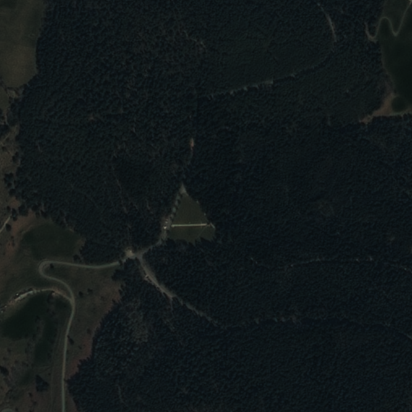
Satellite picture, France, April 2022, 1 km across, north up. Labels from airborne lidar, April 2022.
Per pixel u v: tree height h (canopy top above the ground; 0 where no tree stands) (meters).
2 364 0
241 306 21
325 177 8
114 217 19
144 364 26
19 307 0
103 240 22
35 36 0
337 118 18
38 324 13
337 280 17
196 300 22
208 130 27
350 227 19
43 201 7
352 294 19
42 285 0
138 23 18
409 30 0
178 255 22
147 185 22
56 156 17
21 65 0
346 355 23
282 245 24
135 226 24
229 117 22
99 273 0
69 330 0
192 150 20
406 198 20
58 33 16
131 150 17
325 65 20
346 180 17
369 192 9
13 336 0
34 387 0
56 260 0
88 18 17
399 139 17
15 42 0
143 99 22
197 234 0
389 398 21
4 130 13
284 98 20
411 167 17
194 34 18
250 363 21
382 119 10
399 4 0
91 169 14
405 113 0
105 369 19
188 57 15
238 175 20
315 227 20
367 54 19
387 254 18
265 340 19
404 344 27
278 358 18
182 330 17
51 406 0
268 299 20
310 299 17
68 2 18
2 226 8
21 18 0
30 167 15
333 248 22
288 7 20
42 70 19
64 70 16
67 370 0
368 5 27
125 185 17
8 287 0
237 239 23
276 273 19
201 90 28
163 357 22
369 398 22
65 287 0
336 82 13
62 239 0
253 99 15
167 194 21
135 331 28
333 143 21
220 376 21
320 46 14
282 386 18
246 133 19
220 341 17
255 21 15
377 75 20
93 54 23
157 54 21
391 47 0
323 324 24
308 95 20
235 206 20
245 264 18
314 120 16
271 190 18
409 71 0
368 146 16
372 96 15
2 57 0
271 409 23
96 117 9
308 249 19
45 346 0
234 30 11
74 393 10
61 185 17
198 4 20
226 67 15
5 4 0
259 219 24
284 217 18
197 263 22
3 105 0
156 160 20
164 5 24
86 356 0
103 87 16
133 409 21
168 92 19
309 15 21
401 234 15
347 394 29
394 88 18
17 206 0
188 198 0
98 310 0
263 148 17
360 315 26
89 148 17
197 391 26
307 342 21
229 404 19
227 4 24
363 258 19
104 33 19
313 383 23
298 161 16
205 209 31
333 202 17
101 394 19
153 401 18
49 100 14
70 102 18
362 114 22
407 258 15
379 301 26
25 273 0
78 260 13
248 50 10
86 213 19
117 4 13
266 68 15
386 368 27
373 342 20
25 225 0
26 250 0
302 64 17
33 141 14
